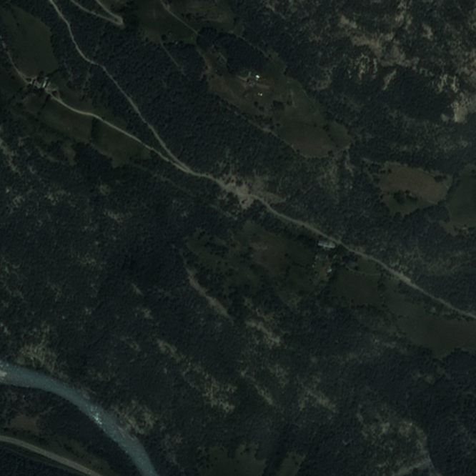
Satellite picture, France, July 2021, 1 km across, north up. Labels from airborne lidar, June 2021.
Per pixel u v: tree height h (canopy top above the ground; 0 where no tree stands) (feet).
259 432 30
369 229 28
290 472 0
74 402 0
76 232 28
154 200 26
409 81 25
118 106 28
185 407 29
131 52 35
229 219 22
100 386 39
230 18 0
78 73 27
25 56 0
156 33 0
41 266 27
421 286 26
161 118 39
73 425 23
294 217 24
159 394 32
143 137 35
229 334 27
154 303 40
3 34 32
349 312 21
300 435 23
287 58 38
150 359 25
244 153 34
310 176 22
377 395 19
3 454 64
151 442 21
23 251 34
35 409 20
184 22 0
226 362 31
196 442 34
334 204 26
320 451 37
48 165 23
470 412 30
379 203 20
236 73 50
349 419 36
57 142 27
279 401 19
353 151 34
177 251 39
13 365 21
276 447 56
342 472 30
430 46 20
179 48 33
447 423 28
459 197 0
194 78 31
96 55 21
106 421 0
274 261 0
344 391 24
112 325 30
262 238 0
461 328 0
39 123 36
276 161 21
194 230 36
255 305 23
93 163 39
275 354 32
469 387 27
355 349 30
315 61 25
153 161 30
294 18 26
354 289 0
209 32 45
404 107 24
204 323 28
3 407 19
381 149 28
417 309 0
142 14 0
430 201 0
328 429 39
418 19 19
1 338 18
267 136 31
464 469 38
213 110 29
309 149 0
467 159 30
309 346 44
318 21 26
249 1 38
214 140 28
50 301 25
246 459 0
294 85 0
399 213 35
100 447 26
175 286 23
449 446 39
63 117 0
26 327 21
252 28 46
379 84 24
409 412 43
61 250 26
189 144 45
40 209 25
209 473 0
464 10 20
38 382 0
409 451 35
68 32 29
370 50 21
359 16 24
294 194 30
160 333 29
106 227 21
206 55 0
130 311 28
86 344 36
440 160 34
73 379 56
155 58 41
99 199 38
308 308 34
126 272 36
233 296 39
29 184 21
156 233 31
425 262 22
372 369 53
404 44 20
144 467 0
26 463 62
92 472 0
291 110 0
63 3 33
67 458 0
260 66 48
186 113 31
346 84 23
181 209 20
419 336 0
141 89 47
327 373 37
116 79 42
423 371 38
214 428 31
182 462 33
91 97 22
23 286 23
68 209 30
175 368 23
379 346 19
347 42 24
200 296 32
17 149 23
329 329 40
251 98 0
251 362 24
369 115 24
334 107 37
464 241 29
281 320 23
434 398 30
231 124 28
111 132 0
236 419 27
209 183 29
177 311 40
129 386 18
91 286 24
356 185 33
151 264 49
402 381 64
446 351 0
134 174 28
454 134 27
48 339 28
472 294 24
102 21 32
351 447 34
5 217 22
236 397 30
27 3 27
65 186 24
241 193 0
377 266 21
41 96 23
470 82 18
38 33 0
